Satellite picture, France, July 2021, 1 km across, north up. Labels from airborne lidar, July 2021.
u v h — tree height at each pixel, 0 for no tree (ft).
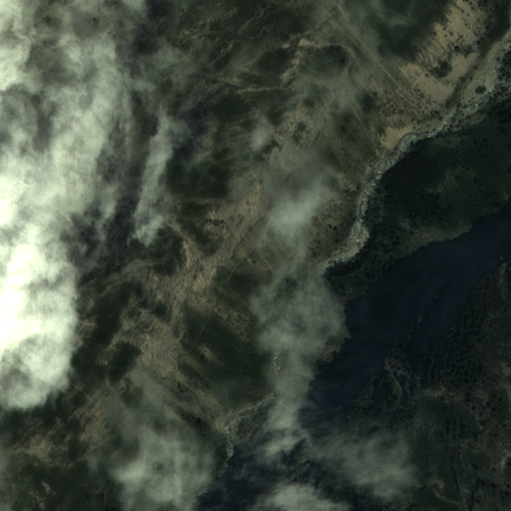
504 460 0
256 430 0
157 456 0
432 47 0
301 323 36
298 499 71
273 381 0
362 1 0
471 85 0
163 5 0
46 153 0
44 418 0
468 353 35
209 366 0
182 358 0
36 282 0
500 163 0
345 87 0
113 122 0
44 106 0
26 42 0
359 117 0
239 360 0
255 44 0
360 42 0
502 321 0
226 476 0
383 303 0
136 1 0
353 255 0
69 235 0
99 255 0
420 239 0
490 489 0
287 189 0
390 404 36
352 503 0
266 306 46
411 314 0
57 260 0
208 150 0
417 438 0
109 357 0
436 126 0
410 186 27
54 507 0
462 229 0
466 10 0
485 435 0
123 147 0
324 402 0
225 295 0
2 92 0
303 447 20
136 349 0
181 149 0
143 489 0
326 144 0
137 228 0
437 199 27
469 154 0
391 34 0
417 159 29
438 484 0
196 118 0
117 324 0
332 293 44
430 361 53
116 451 0
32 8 0
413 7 0
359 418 0
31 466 0
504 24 0
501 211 0
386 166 0
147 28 0
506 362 0
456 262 0
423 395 0
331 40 0
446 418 0
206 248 0
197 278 0
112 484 0
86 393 0
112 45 0
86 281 0
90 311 0
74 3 0
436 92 0
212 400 0
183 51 0
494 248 0
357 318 0
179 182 0
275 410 0
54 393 0
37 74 0
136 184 0
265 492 32
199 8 0
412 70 0
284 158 0
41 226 0
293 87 0
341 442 0
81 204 0
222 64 0
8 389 0
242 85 0
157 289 0
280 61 0
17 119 0
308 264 0
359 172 0
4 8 0
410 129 0
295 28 0
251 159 0
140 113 0
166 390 0
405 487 0
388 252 34
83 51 0
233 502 42
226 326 0
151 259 0
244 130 0
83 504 0
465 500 0
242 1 0
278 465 0
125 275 0
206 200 0
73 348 0
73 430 0
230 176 0
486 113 23
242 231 0
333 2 0
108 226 0
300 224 0
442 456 0
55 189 0
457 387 31
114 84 0
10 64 0
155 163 0
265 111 0
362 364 0
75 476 0
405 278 0
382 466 0
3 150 0
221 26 0
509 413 0
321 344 0
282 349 0
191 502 0
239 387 0
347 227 0
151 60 0
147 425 0
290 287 67
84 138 0
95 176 0
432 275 0
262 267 0
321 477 0
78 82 0
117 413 0
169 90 0
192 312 0
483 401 0
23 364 0
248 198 0
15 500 0
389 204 26
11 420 0
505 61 19
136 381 0
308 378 0
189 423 41
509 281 28
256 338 0
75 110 0
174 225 0
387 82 0
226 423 0
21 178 0
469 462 0
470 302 26
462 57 0
